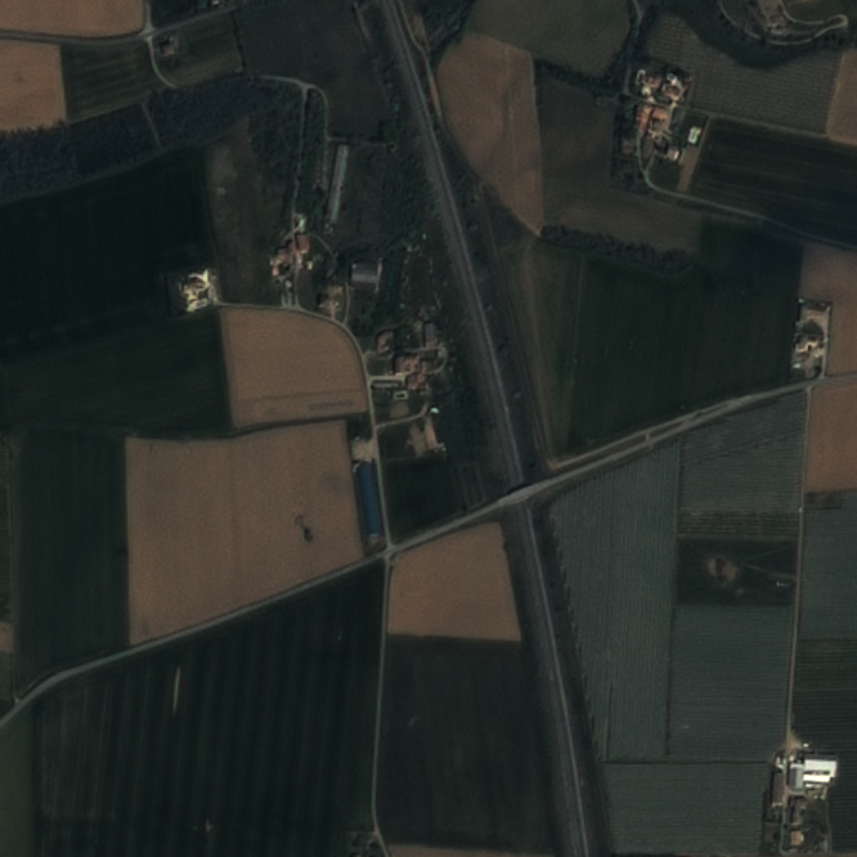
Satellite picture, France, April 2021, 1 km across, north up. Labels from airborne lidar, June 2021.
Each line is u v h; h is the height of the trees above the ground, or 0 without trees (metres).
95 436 0
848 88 0
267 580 0
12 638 0
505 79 0
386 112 0
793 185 0
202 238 0
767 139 0
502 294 0
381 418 0
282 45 0
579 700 0
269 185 9
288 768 0
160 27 0
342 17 0
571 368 0
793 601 0
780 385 0
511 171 0
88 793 0
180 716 0
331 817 0
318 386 0
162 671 0
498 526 0
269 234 0
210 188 0
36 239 0
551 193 0
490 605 0
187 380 0
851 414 0
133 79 0
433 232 0
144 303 0
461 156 0
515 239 0
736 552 0
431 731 0
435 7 8
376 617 0
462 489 0
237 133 0
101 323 0
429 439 0
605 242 12
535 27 0
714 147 0
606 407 0
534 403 0
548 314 0
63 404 0
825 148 0
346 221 0
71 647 0
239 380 0
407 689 0
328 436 0
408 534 0
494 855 0
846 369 0
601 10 0
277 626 0
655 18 11
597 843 0
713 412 0
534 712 0
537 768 0
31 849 0
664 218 0
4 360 0
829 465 0
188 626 0
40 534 0
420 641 0
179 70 9
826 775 0
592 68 0
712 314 0
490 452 0
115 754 0
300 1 0
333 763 0
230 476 0
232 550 0
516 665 0
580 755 0
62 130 13
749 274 0
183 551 0
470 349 0
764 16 0
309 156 6
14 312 0
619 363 0
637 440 0
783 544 0
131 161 7
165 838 0
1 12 0
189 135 10
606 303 0
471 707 0
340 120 0
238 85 9
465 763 0
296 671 0
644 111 0
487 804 0
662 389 0
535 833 0
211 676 0
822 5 0
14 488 0
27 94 0
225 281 0
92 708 0
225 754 0
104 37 0
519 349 0
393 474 0
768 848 0
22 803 0
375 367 0
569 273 0
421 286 0
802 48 8
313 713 0
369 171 7
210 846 0
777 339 0
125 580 0
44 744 0
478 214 0
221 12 0
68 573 0
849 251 0
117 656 0
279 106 10
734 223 0
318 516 0
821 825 0
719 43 0
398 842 0
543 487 0
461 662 0
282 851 0
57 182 9
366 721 0
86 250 0
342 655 0
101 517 0
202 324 0
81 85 0
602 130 0
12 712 0
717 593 0
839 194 0
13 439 0
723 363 0
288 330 0
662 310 0
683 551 0
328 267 16
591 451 0
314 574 0
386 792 0
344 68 0
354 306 0
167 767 0
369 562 0
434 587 0
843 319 0
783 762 0
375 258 0
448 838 0
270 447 0
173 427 0
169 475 0
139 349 0
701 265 0
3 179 12
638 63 10
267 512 0
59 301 0
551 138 0
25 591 0
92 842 0
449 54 0
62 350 0
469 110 0
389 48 0
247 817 0
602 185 0
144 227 0
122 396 0
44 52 0
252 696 0
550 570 0
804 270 0
